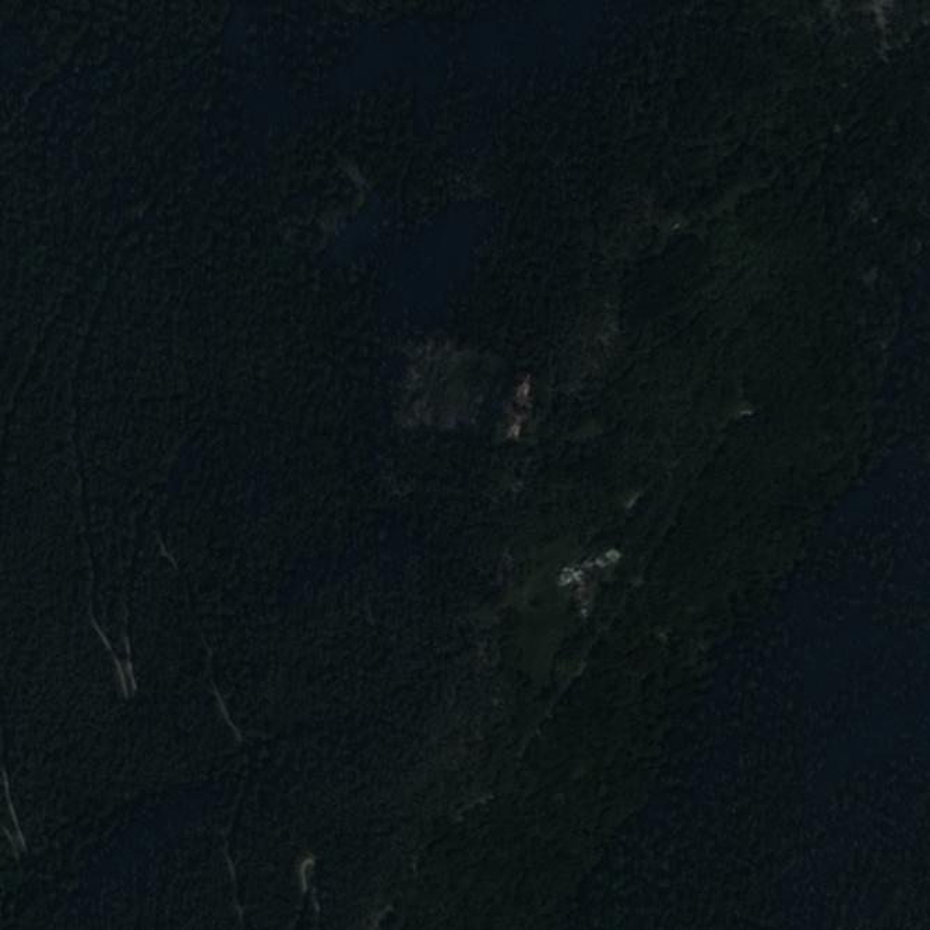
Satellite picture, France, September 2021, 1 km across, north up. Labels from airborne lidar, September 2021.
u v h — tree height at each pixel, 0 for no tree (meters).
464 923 21
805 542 36
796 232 26
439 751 10
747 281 19
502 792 20
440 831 16
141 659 11
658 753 32
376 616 17
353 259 16
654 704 28
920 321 36
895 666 21
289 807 17
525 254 27
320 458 19
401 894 16
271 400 15
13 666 21
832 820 19
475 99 23
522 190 25
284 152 20
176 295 22
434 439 17
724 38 24
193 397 24
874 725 24
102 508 21
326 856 19
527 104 18
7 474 21
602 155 24
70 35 20
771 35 22
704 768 30
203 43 23
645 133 19
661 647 39
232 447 16
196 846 12
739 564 25
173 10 16
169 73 22
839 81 27
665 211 14
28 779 22
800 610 45
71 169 14
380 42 28
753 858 28
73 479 16
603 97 18
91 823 20
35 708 16
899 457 14
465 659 15
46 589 19
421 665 16
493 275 22
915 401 7
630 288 24
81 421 17
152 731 17
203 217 20
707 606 36
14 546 20
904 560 26
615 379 15
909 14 21
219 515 20
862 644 24
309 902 9
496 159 14
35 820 15
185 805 24
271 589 19
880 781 17
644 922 26
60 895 18
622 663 24
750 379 26
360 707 16
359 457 29
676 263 19
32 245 21
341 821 14
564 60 16
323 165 13
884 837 15
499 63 11
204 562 16
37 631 18
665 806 32
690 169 20
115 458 17
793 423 24
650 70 26
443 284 15
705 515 27
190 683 17
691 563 27
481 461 15
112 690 15
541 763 24
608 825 38
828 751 21
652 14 31
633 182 11
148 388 17
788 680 30
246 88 27
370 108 17
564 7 23
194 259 21
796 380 23
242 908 14
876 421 15
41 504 17
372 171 21
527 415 6
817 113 31
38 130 21
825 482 24
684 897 21
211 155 26
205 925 15
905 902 14
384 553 13
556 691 14
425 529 24
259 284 24
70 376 14
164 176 22
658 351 16
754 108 26
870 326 27
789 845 18
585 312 14
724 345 17
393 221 9
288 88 27
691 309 17
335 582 17
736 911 21
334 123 28
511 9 29
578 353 8
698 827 23
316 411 25
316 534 16
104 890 13
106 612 10
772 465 23
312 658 13
